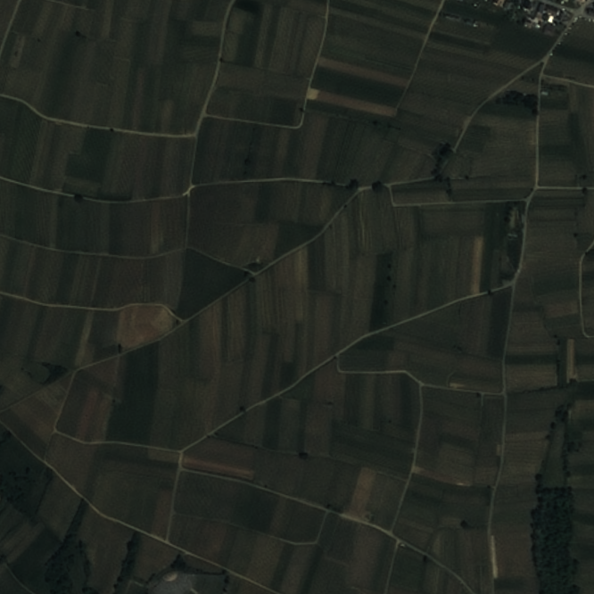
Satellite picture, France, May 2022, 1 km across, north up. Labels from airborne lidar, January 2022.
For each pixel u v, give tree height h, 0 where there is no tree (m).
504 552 0
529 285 0
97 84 0
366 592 0
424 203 0
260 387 0
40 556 0
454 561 0
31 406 0
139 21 0
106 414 0
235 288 0
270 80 0
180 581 0
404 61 0
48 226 0
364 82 0
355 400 0
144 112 0
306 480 0
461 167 0
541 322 0
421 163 0
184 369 0
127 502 0
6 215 0
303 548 0
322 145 0
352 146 0
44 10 0
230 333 0
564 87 6
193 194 0
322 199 0
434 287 0
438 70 0
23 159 0
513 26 0
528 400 0
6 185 0
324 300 0
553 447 0
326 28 0
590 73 0
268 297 0
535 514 11
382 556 0
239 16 0
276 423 0
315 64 0
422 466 0
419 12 0
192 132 0
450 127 0
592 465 0
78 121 0
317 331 0
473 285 0
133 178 0
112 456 0
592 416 0
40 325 0
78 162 0
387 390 0
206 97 0
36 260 0
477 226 0
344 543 0
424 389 0
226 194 0
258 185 0
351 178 0
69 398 0
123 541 0
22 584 0
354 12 0
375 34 0
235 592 0
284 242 0
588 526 0
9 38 0
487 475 0
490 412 0
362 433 0
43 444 0
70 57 0
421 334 0
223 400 0
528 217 0
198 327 0
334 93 0
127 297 0
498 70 0
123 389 0
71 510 0
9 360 0
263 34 0
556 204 0
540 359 0
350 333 0
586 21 0
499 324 0
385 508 0
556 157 0
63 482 0
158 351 0
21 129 0
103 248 0
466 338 0
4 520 0
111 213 0
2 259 0
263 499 0
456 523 0
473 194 0
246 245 0
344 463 0
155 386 0
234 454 0
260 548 0
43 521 0
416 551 0
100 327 0
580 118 0
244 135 0
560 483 0
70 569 0
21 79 0
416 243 0
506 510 0
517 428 0
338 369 0
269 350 0
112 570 0
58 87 0
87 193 0
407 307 0
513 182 0
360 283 0
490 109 0
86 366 0
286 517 0
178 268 0
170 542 0
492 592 0
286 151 0
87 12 0
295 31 0
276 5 0
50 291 0
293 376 0
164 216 0
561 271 0
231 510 0
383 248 0
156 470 0
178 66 0
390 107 0
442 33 0
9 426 0
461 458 0
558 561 17
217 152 0
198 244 0
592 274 0
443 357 0
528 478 0
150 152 0
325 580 0
